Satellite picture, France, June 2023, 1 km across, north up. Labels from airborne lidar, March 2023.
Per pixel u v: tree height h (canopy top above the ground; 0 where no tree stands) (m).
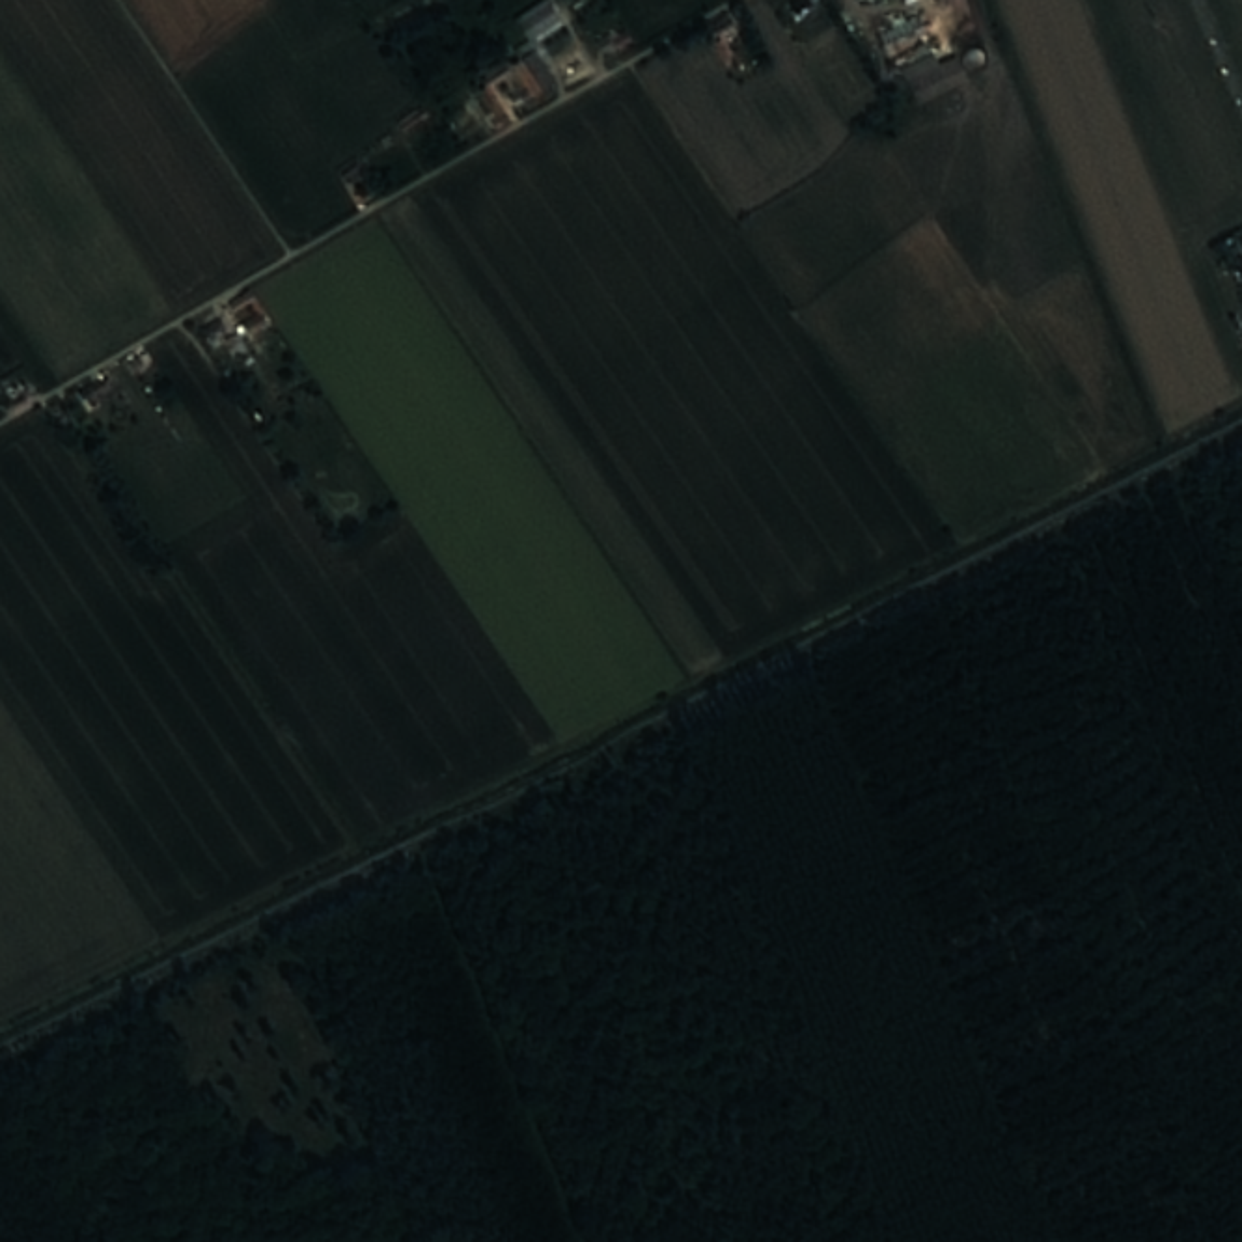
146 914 0
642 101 0
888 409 0
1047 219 0
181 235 0
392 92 0
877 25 0
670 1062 22
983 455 0
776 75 0
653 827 26
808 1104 25
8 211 0
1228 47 0
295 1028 0
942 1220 34
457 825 0
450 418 0
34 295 0
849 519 0
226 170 0
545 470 0
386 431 0
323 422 0
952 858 15
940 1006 34
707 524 0
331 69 0
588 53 0
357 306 0
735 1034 22
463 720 0
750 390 0
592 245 0
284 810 0
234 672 0
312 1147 0
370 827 0
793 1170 24
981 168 0
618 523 0
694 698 0
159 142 0
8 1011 0
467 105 0
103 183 0
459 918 19
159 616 0
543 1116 15
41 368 0
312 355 0
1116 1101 17
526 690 0
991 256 0
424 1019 15
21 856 0
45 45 0
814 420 0
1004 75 0
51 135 0
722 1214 22
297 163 0
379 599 0
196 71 0
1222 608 16
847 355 0
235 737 0
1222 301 0
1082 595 18
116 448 0
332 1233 23
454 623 0
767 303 0
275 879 0
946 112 0
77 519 0
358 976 21
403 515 0
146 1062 25
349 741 0
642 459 0
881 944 35
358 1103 22
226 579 0
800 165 0
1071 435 0
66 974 0
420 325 0
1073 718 15
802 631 0
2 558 0
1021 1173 33
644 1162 24
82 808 0
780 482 0
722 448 0
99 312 0
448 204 0
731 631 0
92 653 0
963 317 0
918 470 0
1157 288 0
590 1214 20
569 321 0
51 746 0
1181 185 0
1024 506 0
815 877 36
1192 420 0
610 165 0
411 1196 24
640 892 22
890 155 0
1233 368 0
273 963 0
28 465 0
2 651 0
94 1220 20
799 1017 30
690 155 0
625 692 0
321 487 0
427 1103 20
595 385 0
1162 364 0
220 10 0
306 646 0
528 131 0
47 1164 25
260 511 0
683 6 0
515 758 0
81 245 0
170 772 0
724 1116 27
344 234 0
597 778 9
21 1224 23
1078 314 0
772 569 0
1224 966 17
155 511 0
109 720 0
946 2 0
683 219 0
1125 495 10
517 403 0
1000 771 13
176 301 0
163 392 11
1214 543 18
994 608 15
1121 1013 14
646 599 0
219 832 0
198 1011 0
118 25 0
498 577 0
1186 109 0
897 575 0
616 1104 25
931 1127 34
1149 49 0
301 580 0
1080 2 0
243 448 0
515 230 0
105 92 0
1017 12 0
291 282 0
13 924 0
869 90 0
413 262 0
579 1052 19
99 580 0
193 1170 19
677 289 0
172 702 0
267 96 0
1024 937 19
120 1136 24
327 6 0
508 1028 14
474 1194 25
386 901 20
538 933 22
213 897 0
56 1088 24
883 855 34
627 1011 22
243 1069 0
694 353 0
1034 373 0
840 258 0
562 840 13
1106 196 0
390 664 0
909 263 0
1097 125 0
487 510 0
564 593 0
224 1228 23
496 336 0
